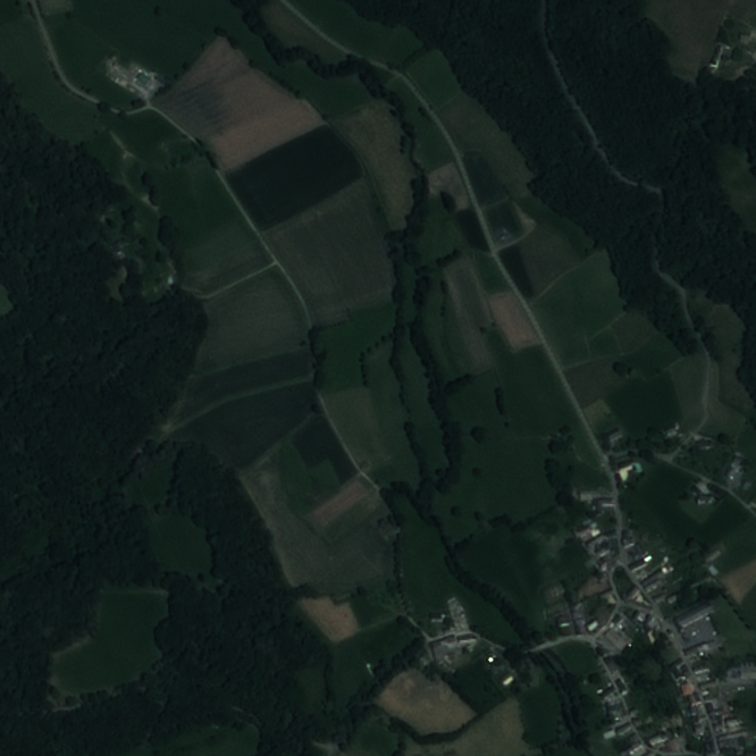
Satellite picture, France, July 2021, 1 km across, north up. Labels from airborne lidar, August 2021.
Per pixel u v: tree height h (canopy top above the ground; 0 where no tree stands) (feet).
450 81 0
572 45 66
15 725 47
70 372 86
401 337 50
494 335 0
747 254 76
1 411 60
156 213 0
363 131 0
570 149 59
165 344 76
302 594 66
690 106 73
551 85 39
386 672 70
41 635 61
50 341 88
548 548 0
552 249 0
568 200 82
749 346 64
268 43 52
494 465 0
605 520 0
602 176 65
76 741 63
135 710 68
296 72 0
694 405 0
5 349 91
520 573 0
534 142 45
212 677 81
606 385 0
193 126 0
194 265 0
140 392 83
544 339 0
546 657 68
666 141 62
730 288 61
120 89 0
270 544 72
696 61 0
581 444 0
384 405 0
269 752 85
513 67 39
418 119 0
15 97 76
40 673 81
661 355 0
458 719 0
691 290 55
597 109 62
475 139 0
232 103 0
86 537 65
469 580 42
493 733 0
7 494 94
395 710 0
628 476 0
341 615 0
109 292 58
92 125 0
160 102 0
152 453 50
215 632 82
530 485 0
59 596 81
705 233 74
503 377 0
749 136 96
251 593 85
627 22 67
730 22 24
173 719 67
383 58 0
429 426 0
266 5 57
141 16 0
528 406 0
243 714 35
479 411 0
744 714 0
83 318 85
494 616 0
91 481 91
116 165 0
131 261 24
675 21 0
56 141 59
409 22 59
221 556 82
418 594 0
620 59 68
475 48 57
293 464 0
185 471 92
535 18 48
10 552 43
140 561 94
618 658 37
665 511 0
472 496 0
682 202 40
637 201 68
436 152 0
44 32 0
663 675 19
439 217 0
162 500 0
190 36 0
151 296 0
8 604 74
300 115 0
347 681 0
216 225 0
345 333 0
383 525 38
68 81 0
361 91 0
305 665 70
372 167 0
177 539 0
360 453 0
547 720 0
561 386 0
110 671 0
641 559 0
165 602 0
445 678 47
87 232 94
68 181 92
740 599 0
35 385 73
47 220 78
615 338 0
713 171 86
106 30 0
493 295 0
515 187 0
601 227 63
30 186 89
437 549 0
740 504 0
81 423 81
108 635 0
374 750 0
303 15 0
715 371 0
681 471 0
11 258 75
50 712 47
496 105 73
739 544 0
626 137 64
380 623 0
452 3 45
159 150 0
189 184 0
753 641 0
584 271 0
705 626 0
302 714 63
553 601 0
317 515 0
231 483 93
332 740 37
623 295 46
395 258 62
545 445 0
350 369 0
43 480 66
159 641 61
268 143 0
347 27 0
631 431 0
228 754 0
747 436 0
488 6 75
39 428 62
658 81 98
